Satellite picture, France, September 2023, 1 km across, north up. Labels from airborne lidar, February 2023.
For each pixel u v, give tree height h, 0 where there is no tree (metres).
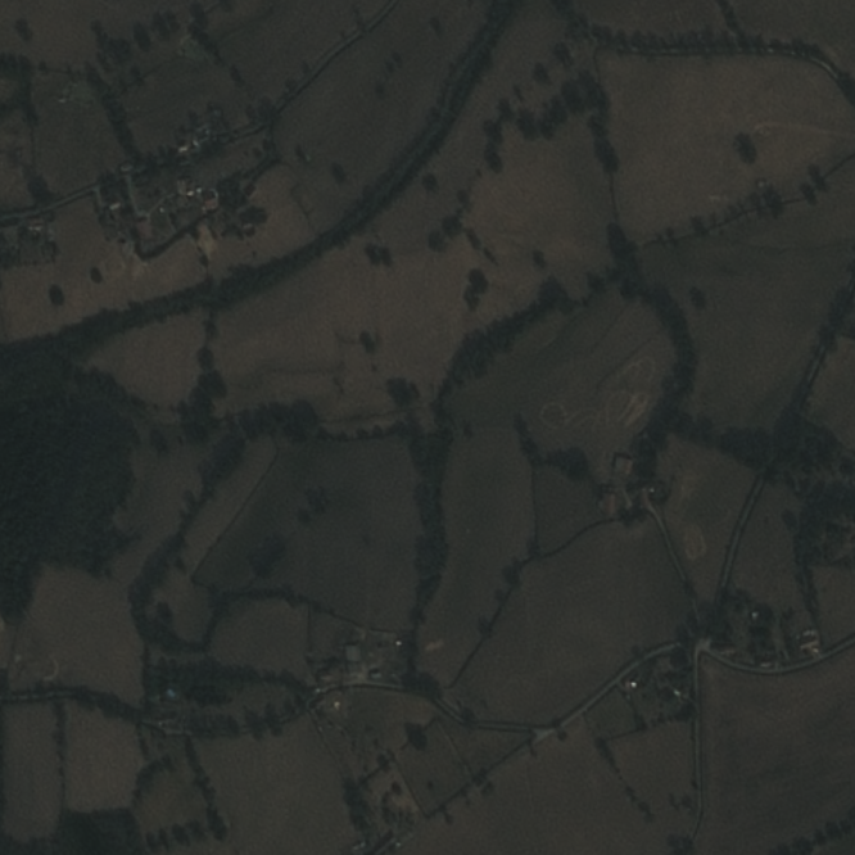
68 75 11
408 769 0
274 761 0
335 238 14
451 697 0
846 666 0
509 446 0
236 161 0
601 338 0
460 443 0
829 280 0
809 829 0
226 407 0
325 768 0
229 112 0
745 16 0
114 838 15
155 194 6
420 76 0
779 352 0
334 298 0
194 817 0
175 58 0
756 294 0
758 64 0
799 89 0
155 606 0
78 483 23
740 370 0
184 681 8
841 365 0
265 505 0
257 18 0
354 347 0
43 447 11
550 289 15
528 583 0
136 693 0
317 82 0
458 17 0
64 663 0
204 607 0
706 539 0
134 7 0
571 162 0
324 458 0
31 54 0
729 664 0
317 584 0
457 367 21
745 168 0
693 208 0
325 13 0
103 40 15
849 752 0
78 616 0
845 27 0
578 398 0
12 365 12
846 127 0
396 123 0
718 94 0
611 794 0
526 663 0
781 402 0
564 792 0
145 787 14
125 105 0
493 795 0
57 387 0
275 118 14
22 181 0
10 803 0
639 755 0
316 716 9
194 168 0
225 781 0
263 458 0
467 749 0
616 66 0
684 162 0
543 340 0
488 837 0
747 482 0
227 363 0
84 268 0
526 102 0
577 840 0
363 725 0
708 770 0
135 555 0
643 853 0
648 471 15
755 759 0
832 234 0
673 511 0
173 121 0
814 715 0
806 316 0
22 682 0
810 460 16
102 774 0
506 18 11
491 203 0
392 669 0
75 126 0
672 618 0
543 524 0
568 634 0
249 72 0
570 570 0
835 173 0
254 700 0
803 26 0
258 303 0
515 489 0
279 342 0
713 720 0
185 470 0
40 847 12
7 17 0
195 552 0
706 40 15
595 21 0
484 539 0
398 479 0
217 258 0
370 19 0
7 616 18
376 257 13
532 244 0
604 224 0
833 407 0
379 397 0
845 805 0
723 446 19
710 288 0
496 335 19
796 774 0
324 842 0
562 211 0
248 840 0
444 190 0
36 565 17
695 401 0
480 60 15
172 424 0
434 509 22
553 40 0
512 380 0
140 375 0
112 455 25
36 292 0
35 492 8
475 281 14
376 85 0
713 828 0
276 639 0
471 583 0
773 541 0
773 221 0
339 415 0
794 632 0
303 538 0
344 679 0
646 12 0
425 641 0
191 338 0
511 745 0
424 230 0
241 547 0
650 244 0
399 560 0
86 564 7
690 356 19
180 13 0
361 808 21
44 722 0
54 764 0
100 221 7
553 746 0
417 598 8
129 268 0
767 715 0
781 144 0
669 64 0
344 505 0
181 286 0
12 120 0
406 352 0
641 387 0
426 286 0
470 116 0
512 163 0
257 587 0
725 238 0
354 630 0
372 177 0
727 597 14
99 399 0
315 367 0
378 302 0
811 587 25
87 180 0
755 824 0
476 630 0
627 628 0
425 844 0
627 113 0
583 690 0
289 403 0
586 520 0
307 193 0
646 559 0
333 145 0
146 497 0
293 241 0
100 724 0
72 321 0
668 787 0
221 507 0
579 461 18
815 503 16
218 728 14
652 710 0
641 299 14
